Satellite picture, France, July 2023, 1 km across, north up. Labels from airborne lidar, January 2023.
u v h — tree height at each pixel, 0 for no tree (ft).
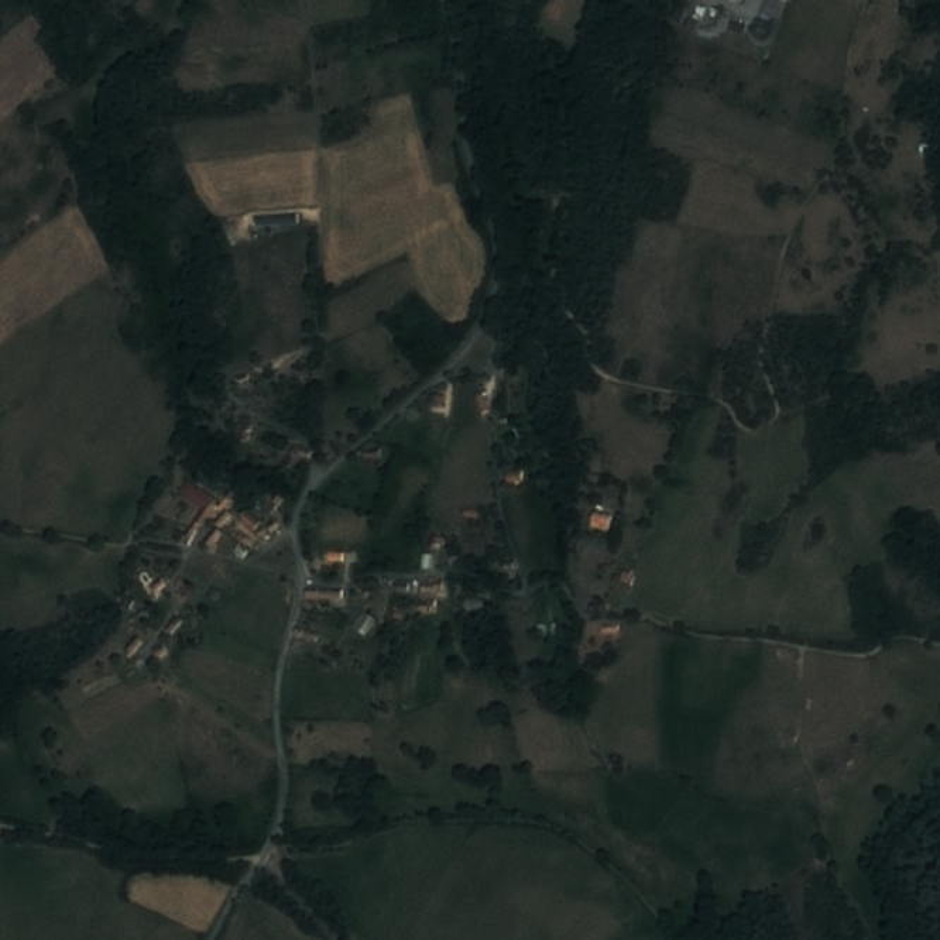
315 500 40
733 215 0
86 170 39
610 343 26
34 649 34
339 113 37
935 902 55
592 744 0
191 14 45
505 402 38
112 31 18
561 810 0
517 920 0
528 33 44
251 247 0
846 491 0
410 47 34
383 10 25
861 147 32
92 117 0
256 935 0
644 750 0
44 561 0
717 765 0
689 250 0
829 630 0
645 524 44
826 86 0
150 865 33
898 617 30
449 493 0
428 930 0
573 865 0
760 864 0
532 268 31
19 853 0
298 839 28
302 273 0
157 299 0
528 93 60
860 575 36
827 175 19
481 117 81
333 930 26
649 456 0
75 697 0
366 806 29
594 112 39
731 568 0
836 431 25
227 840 20
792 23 0
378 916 0
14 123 0
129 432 0
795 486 0
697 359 0
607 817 0
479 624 41
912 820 25
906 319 0
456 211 0
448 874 0
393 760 0
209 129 0
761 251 0
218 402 53
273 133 0
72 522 0
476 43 69
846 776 0
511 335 45
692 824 0
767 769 0
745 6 0
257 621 0
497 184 22
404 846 0
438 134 0
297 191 0
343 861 0
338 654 26
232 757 0
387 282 0
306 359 27
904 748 0
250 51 0
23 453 0
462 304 0
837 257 0
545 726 0
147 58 23
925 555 64
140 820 61
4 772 0
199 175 0
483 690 0
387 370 0
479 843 0
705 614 0
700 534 0
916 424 21
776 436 0
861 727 0
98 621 43
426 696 0
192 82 24
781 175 0
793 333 27
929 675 0
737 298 0
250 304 0
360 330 0
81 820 46
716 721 0
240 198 0
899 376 0
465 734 0
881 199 0
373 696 0
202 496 0
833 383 30
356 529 0
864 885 0
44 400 0
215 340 31
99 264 0
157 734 0
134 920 0
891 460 0
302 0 0
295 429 46
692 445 0
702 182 0
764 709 0
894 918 79
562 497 47
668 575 0
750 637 29
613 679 0
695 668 0
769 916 26
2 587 0
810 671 0
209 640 0
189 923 0
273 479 37
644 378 0
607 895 0
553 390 58
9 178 0
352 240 0
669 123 0
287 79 0
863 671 0
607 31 39
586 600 0
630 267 0
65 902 0
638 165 36
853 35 0
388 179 0
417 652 0
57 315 0
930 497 0
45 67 0
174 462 34
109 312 0
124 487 0
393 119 0
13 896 0
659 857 0
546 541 0
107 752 0
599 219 30
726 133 0
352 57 0
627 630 0
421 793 0
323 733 0
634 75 31
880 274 44
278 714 0
